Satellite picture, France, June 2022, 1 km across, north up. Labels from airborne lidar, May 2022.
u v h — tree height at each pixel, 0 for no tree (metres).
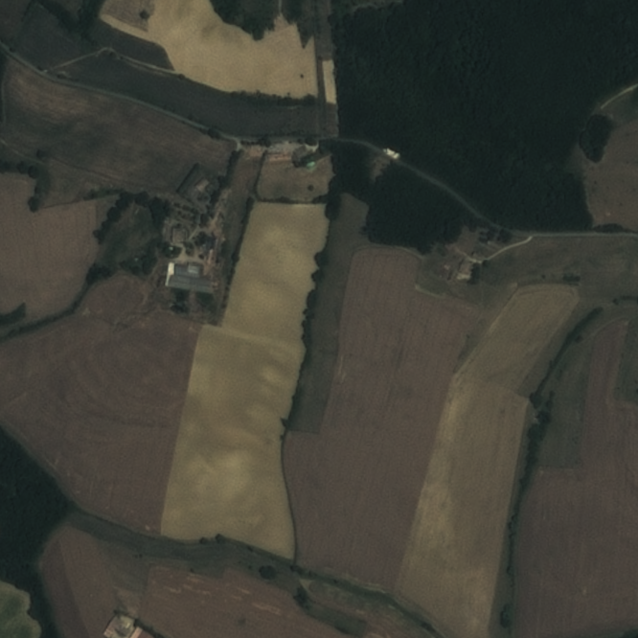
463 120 17
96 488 0
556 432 0
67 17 16
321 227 0
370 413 0
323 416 0
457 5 22
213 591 0
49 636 10
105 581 0
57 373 0
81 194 0
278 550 0
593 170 0
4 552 21
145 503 0
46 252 0
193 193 0
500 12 12
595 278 0
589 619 0
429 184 11
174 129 0
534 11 20
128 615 0
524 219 14
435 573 0
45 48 0
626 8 17
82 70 0
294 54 0
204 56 0
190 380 0
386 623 0
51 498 26
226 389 0
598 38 20
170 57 0
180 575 0
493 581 0
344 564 0
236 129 0
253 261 0
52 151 0
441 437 0
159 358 0
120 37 0
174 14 0
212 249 0
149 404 0
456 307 0
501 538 0
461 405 0
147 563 0
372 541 0
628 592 0
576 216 13
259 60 0
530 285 0
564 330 0
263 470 0
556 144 11
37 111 0
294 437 0
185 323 0
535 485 0
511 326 0
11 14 0
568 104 16
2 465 25
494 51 20
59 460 0
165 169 0
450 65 22
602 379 0
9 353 0
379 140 13
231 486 0
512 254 0
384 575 0
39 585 15
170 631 0
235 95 9
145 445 0
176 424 0
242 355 0
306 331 9
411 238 14
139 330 0
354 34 18
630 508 0
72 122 0
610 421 0
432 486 0
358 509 0
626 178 0
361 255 0
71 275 0
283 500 0
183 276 0
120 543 0
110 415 0
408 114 13
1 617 0
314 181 0
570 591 0
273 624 0
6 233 0
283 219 0
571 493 0
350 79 16
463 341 0
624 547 0
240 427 0
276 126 0
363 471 0
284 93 0
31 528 17
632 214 0
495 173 18
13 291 0
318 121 0
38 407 0
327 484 0
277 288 0
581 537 0
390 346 0
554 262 0
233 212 0
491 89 19
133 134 0
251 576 0
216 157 0
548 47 15
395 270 0
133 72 0
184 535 0
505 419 0
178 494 0
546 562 0
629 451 0
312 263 0
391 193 15
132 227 0
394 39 22
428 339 0
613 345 0
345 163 15
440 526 0
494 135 19
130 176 0
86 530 0
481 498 0
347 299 0
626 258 0
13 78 0
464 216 13
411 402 0
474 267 8
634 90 0
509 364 0
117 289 0
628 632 0
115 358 0
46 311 0
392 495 0
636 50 21
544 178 20
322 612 0
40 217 0
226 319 0
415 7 25
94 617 0
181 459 0
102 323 0
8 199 0
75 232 0
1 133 0
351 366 0
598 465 0
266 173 0
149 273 8
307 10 0
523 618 0
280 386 0
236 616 0
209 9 0
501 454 0
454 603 0
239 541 0
